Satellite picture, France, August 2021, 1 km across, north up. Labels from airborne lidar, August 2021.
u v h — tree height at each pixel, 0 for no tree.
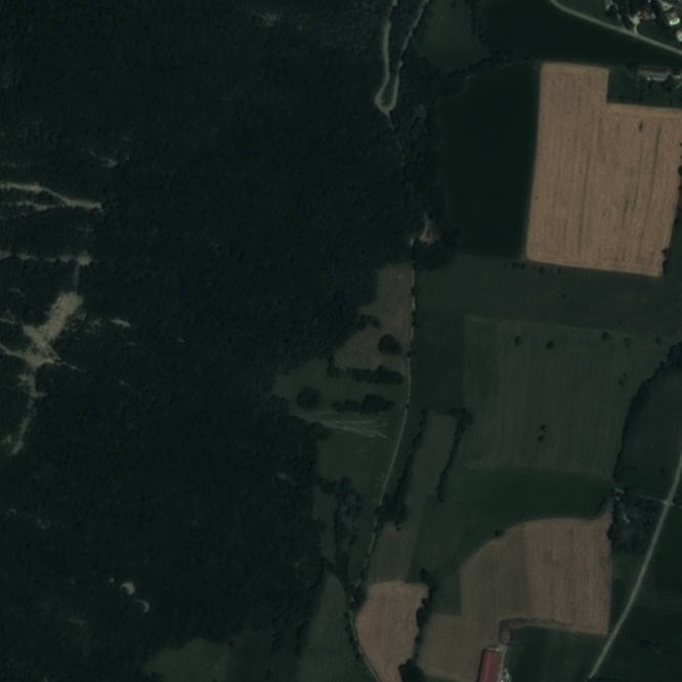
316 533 14
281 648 11
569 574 0
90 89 21
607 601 0
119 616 19
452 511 0
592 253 0
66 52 23
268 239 18
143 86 14
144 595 15
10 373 13
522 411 0
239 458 14
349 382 0
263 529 19
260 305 13
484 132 0
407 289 0
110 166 11
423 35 21
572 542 0
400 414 0
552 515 0
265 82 17
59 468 24
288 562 21
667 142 0
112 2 21
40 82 21
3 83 12
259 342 20
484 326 0
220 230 17
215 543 17
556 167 0
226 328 23
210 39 12
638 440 0
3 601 13
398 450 0
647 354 0
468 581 0
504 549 0
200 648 0
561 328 0
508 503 0
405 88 13
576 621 0
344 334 22
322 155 19
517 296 0
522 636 0
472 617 0
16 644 24
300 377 0
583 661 0
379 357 0
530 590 0
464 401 0
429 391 0
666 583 0
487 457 0
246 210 19
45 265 19
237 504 20
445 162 0
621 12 13
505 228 0
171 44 21
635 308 0
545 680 0
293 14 9
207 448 22
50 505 15
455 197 0
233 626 12
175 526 20
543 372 0
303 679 0
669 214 0
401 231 10
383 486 0
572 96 0
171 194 23
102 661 23
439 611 0
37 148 22
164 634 19
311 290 18
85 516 19
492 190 0
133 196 23
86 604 17
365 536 0
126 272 23
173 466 22
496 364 0
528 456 0
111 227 25
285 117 18
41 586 21
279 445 20
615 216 0
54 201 19
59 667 19
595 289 0
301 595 17
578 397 0
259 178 25
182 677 0
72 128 19
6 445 12
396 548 0
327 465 0
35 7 26
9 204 15
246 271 22
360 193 19
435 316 0
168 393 20
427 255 18
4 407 16
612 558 0
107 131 17
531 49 0
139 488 20
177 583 20
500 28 0
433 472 0
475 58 0
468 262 0
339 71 15
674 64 0
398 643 0
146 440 22
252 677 0
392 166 6
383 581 0
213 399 19
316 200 21
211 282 19
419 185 12
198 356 18
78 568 19
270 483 24
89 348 17
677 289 0
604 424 0
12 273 14
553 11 0
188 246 18
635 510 7
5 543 28
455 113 0
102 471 15
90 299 15
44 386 17
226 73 15
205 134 13
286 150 23
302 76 19
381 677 0
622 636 0
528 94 0
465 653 0
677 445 0
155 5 20
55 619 12
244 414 20
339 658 0
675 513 0
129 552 18
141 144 19
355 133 20
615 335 0
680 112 0
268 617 7
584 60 0
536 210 0
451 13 0
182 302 19
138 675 19
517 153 0
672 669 0
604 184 0
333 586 0
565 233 0
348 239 20
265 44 10
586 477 0
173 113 21
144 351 15
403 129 14
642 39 0
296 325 18
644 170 0
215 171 24
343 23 14
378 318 10
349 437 0
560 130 0
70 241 13
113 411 24
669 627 0
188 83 16
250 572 23
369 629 0
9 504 17
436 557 0
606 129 0
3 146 12
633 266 0
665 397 0
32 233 20
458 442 9
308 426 13
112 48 23
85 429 24
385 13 14
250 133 22
